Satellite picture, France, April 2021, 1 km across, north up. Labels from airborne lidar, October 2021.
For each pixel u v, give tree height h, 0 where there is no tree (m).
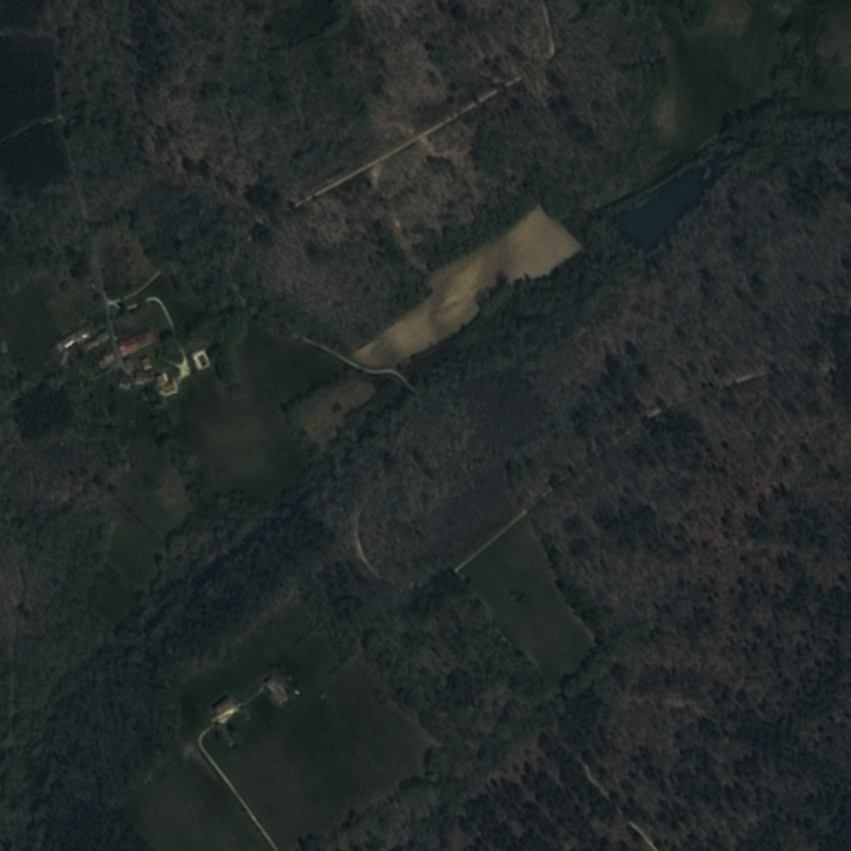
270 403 0
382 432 20
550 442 18
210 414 0
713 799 18
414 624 29
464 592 25
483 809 15
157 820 0
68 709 11
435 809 21
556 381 16
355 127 16
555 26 18
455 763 18
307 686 0
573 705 21
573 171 23
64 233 20
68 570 21
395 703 6
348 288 18
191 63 16
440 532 13
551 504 18
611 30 16
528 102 16
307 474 7
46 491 9
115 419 17
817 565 7
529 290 13
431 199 17
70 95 10
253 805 0
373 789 0
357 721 0
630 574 10
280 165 15
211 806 0
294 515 15
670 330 13
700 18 23
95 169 17
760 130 21
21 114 8
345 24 14
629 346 10
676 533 16
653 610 14
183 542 18
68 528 19
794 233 15
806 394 18
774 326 19
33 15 17
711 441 16
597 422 14
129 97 15
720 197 12
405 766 0
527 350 18
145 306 13
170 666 25
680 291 15
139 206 13
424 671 13
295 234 17
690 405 14
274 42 9
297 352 0
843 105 0
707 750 12
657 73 21
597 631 24
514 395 15
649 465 22
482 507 14
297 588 18
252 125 23
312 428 0
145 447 0
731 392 11
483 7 21
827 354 18
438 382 13
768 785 9
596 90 19
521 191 26
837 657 13
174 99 14
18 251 19
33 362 0
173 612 19
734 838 18
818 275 17
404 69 0
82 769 15
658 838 15
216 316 15
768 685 11
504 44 19
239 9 13
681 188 0
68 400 20
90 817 22
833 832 12
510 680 19
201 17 15
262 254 18
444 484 14
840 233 14
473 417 12
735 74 0
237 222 15
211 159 9
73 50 12
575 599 22
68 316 0
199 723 0
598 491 17
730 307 13
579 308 15
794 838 11
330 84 16
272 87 20
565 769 17
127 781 20
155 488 0
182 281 15
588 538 13
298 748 0
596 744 16
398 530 17
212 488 0
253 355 0
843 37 0
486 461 8
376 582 15
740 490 11
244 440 0
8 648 20
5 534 23
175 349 17
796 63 12
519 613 0
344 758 0
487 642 19
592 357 14
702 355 14
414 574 16
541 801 14
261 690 0
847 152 20
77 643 24
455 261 21
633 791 16
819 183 21
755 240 12
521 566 0
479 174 22
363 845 21
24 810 18
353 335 11
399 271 27
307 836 0
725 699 12
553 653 0
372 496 11
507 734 18
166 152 17
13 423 17
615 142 18
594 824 14
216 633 26
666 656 14
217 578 20
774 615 11
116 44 20
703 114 0
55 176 7
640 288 16
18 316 0
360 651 9
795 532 16
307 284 18
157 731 24
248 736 0
